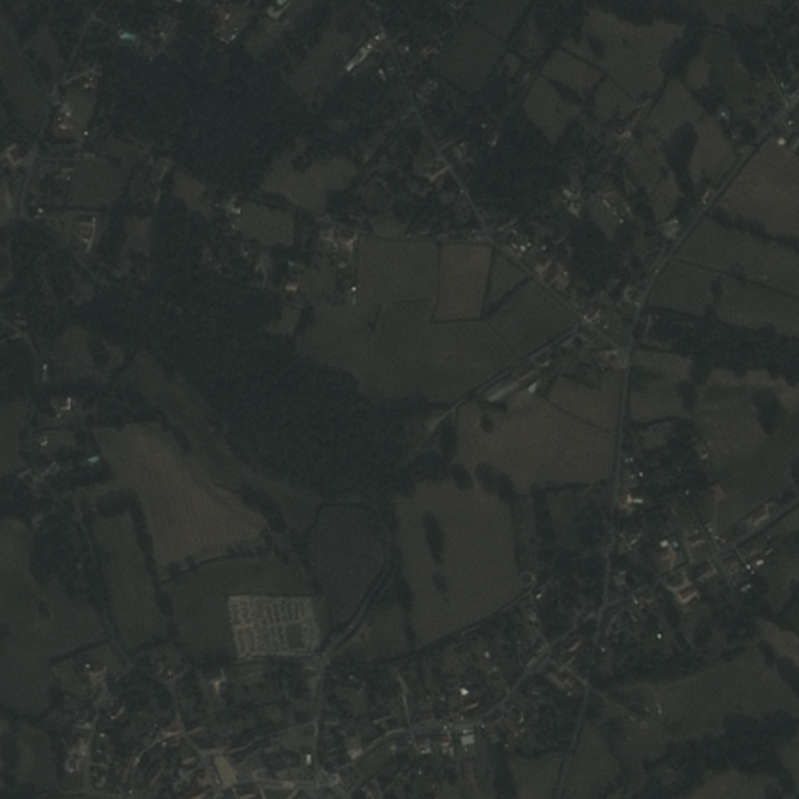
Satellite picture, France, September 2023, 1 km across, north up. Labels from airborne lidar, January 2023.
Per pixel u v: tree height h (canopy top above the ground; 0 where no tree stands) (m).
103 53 15
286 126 21
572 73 0
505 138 14
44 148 12
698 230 0
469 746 0
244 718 6
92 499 0
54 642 0
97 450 6
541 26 19
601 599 15
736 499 0
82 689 0
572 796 0
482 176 12
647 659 10
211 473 0
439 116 11
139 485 0
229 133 27
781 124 0
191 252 16
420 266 0
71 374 0
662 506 9
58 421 0
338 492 15
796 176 0
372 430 14
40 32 0
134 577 0
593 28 0
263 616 0
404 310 0
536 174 20
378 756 0
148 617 0
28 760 0
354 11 0
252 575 0
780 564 0
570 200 0
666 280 0
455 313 0
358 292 0
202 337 12
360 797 8
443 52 0
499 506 0
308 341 0
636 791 0
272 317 16
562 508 0
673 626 9
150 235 0
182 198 0
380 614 0
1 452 0
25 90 0
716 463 0
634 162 0
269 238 0
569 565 19
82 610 0
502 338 0
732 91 0
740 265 0
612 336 0
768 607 14
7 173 7
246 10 0
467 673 6
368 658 0
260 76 24
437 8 6
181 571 10
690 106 0
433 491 0
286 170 0
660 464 10
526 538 0
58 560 16
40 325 12
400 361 0
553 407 0
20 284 7
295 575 0
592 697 0
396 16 17
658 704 0
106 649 0
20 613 0
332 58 0
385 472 17
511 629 6
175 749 8
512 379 0
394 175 16
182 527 0
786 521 0
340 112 19
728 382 0
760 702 0
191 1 8
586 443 0
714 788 0
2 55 0
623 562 16
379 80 17
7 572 0
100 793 0
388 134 0
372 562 0
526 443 0
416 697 7
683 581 0
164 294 23
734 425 0
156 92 21
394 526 16
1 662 0
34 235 10
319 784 0
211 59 11
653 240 16
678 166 20
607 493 0
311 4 0
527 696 6
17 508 17
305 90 0
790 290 0
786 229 0
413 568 0
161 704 14
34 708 0
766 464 0
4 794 7
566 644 0
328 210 13
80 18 12
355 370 0
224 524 0
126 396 7
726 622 19
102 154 0
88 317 18
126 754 8
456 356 0
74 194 0
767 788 0
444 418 0
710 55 0
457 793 0
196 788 0
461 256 0
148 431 0
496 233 9
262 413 19
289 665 6
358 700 0
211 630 0
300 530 0
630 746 0
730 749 0
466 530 0
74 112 0
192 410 0
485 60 0
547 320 0
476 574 0
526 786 0
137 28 15
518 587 0
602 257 19
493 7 0
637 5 21
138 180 0
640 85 0
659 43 0
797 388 0
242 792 0
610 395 0
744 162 0
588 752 0
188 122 23
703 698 0
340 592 0
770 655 20
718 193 0
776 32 13
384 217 0
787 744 0
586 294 6
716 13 0
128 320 16
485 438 0
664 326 16
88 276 10
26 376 0
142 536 19
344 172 0
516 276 0
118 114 11
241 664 0
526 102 0
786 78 7
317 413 22
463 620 0
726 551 0
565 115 0
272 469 18
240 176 10
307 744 0
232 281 7
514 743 0
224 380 11
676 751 15
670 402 0
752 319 0
